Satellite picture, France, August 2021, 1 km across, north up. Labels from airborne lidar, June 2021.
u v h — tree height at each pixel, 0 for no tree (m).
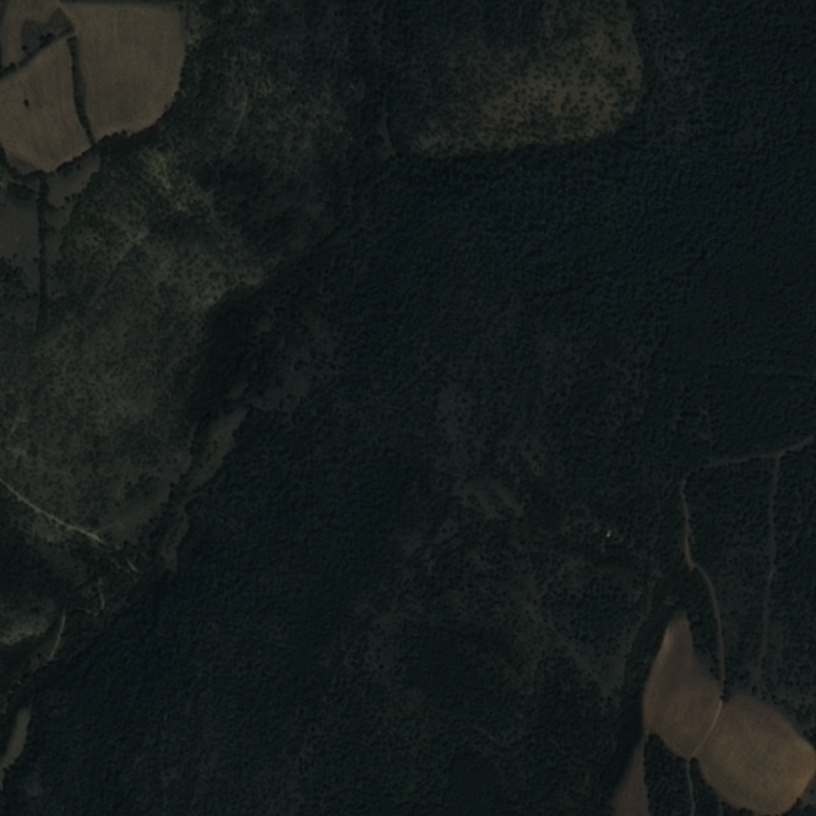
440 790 6
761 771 0
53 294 6
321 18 10
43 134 0
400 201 5
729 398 9
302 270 12
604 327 5
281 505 6
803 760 0
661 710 0
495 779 9
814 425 7
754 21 9
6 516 7
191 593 6
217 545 7
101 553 7
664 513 7
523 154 8
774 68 7
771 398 9
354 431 7
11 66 8
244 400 7
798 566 8
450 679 9
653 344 7
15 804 9
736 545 7
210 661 6
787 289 16
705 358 15
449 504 6
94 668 8
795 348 15
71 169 6
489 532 6
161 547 7
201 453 6
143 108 0
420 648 8
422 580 7
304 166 7
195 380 7
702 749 0
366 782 8
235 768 6
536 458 7
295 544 7
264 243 7
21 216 0
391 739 6
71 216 6
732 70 8
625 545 7
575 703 8
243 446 9
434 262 6
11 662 10
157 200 5
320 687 6
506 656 6
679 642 0
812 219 13
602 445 9
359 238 9
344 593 6
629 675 6
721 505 8
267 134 8
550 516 8
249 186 8
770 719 0
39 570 8
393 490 6
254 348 10
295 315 11
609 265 9
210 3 8
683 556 7
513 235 10
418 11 7
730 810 8
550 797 7
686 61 7
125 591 8
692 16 7
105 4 0
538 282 6
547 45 6
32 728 8
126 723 6
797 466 9
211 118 6
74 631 6
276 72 6
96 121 0
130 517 0
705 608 6
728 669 6
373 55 11
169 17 0
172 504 7
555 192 7
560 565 8
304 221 7
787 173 14
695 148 9
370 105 14
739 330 14
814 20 13
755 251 15
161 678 8
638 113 7
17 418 0
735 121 6
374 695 6
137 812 5
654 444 9
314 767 8
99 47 0
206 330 7
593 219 7
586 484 6
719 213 8
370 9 6
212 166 8
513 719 6
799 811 10
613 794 8
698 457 8
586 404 7
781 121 11
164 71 0
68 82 0
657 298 11
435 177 6
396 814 8
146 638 6
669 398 11
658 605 6
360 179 12
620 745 9
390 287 7
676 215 13
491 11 6
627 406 8
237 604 6
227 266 6
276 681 6
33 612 7
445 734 6
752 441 8
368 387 7
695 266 14
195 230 8
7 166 6
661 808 8
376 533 6
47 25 0
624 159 7
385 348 7
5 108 0
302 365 7
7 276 8
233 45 10
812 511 9
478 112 7
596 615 9
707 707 0
